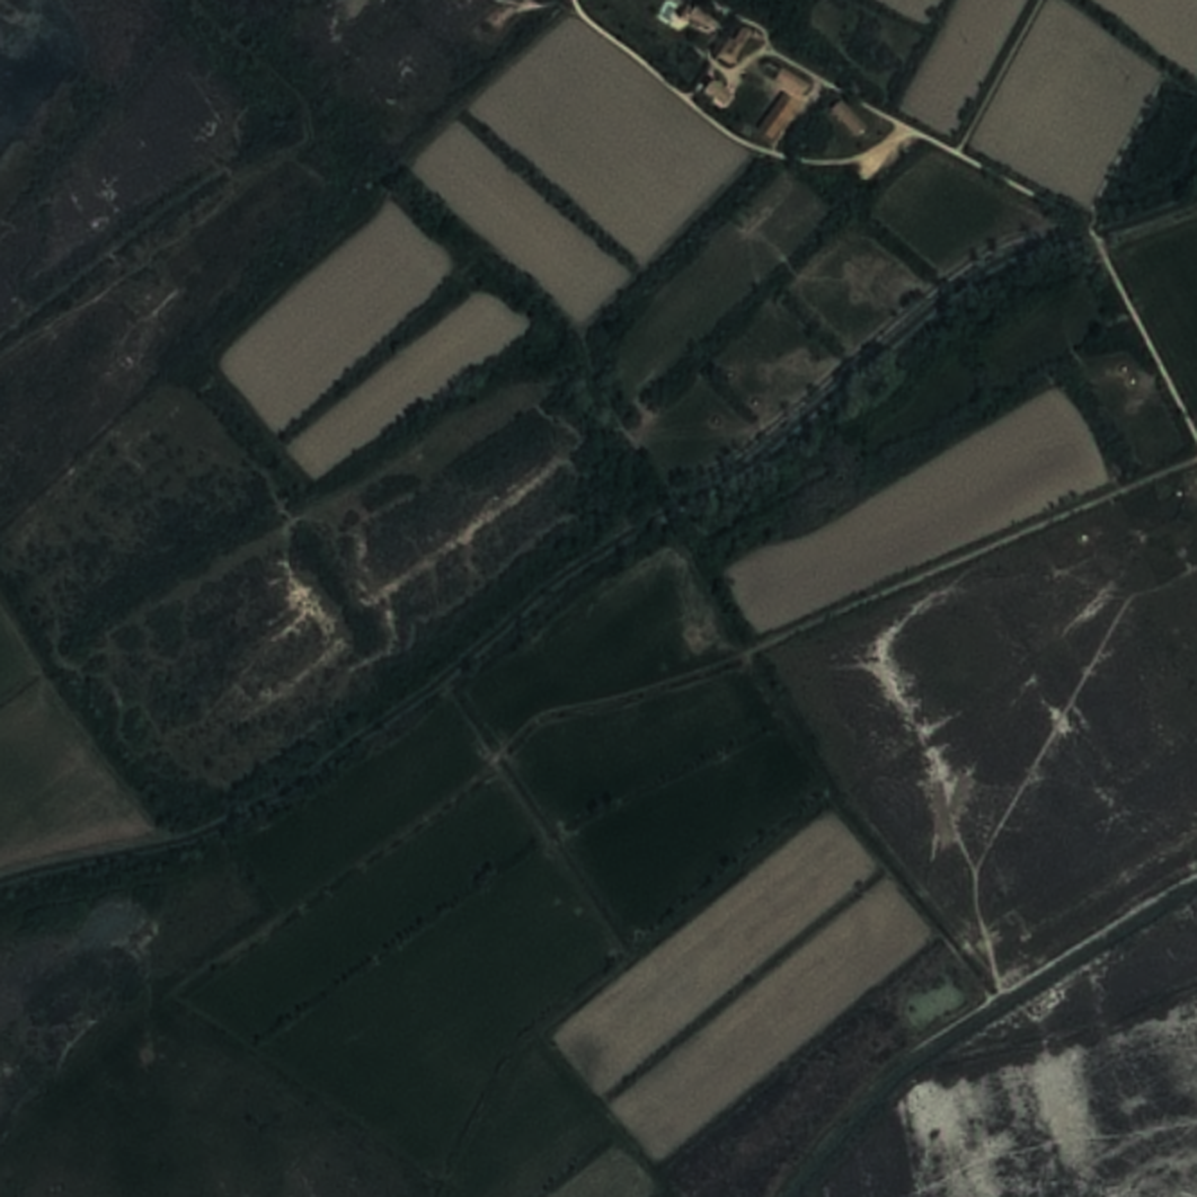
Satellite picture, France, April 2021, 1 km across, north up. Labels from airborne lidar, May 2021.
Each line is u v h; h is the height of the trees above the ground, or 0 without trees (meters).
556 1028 0
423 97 0
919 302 13
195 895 0
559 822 0
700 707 0
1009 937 0
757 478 15
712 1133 0
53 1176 0
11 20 0
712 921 0
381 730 10
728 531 9
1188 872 0
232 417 6
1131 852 0
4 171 0
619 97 0
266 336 0
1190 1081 0
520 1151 0
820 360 0
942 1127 0
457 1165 0
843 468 12
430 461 0
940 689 0
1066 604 0
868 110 0
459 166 0
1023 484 0
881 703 0
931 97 0
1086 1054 0
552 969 0
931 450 6
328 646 0
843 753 0
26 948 0
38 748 0
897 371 19
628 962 0
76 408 0
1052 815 0
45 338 0
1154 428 0
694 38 8
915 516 0
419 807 0
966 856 0
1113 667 0
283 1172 0
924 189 0
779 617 0
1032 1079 0
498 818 0
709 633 0
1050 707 0
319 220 6
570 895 0
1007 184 11
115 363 0
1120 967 0
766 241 0
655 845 0
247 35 6
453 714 0
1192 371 0
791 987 0
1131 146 7
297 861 0
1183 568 0
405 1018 0
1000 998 0
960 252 0
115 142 0
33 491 0
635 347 0
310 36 0
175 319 0
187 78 0
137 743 6
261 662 0
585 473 7
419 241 0
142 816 0
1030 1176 0
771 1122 0
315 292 0
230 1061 0
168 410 0
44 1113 0
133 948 0
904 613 0
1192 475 0
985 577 0
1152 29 0
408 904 0
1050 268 21
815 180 6
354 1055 0
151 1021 0
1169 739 0
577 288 0
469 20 0
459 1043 0
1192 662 0
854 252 0
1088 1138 0
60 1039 0
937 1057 0
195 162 0
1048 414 0
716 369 14
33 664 0
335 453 0
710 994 0
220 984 0
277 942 0
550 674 0
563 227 0
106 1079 0
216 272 0
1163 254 0
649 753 0
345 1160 0
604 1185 0
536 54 0
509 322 0
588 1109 0
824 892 0
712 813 0
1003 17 0
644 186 0
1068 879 0
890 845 0
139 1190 0
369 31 0
